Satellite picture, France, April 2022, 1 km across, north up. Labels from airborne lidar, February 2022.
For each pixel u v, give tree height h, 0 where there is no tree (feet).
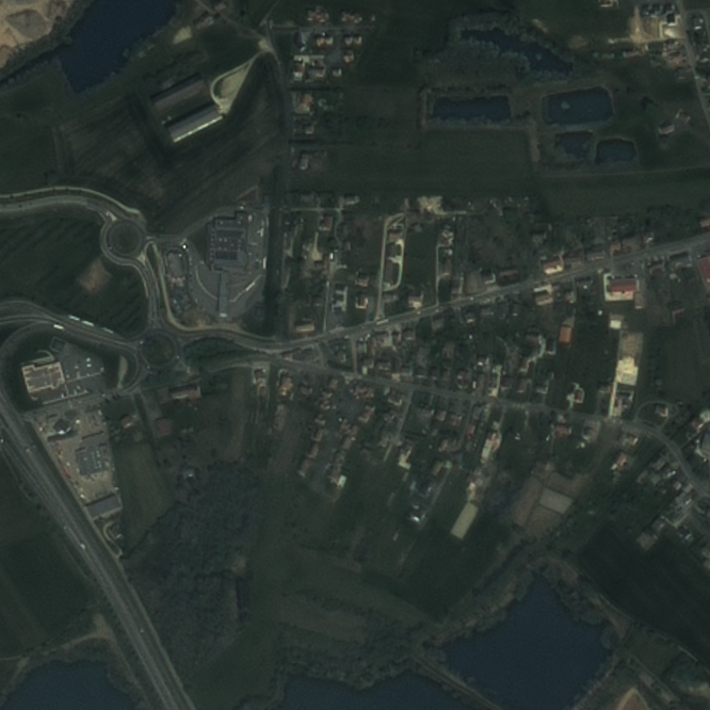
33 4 0
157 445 0
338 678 26
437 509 0
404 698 0
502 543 0
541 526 0
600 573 0
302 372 0
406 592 0
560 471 0
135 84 0
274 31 0
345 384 0
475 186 0
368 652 38
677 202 0
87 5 35
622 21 0
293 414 0
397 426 0
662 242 43
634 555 0
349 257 0
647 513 0
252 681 0
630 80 0
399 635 56
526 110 0
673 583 0
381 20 0
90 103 0
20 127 0
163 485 0
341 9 0
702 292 0
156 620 19
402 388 0
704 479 35
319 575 0
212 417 0
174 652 49
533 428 0
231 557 24
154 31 0
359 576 0
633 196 0
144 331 0
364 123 24
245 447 0
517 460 0
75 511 0
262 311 0
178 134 0
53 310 0
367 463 0
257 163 0
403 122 0
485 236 0
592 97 0
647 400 0
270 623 0
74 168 0
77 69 0
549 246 51
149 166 0
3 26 0
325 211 0
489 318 0
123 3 0
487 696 77
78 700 0
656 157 0
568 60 58
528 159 0
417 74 0
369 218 0
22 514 0
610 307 0
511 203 0
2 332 0
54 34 32
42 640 0
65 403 0
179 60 28
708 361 0
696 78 0
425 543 0
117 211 0
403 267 0
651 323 0
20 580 0
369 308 0
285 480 0
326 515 0
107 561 0
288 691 0
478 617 0
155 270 0
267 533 0
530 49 0
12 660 0
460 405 0
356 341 0
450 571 0
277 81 0
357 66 0
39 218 0
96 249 0
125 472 0
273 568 0
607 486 0
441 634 0
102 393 0
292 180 0
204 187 0
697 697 0
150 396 0
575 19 0
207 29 0
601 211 0
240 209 0
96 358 0
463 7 0
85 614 20
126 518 0
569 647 0
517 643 0
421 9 0
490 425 0
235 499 67
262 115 0
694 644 0
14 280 0
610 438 0
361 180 0
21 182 0
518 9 0
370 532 0
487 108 0
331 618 0
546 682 0
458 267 0
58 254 0
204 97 0
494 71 0
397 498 0
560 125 0
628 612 0
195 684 0
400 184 0
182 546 25
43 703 0
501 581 73
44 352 0
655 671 0
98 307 0
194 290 0
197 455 0
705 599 0
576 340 0
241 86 0
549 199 0
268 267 0
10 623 0
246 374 0
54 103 0
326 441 0
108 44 0
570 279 0
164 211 0
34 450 0
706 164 0
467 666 0
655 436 0
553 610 0
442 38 0
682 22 0
